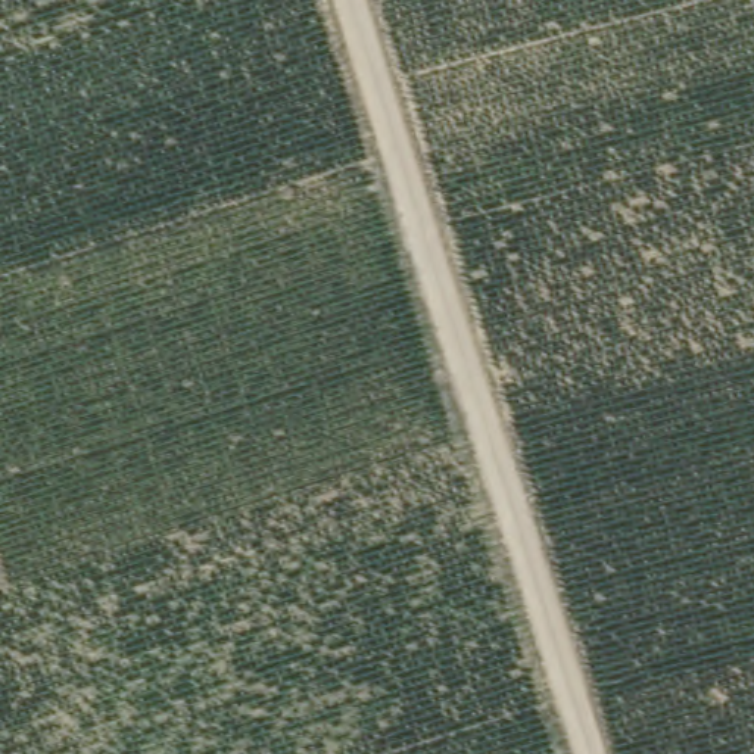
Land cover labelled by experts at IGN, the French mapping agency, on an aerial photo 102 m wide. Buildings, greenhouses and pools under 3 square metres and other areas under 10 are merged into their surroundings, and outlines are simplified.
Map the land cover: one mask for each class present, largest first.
<instances>
[{"label":"vineyard","instance_id":"1","mask_svg":"<svg viewBox=\"0 0 754 754\"><path fill-rule=\"evenodd\" d=\"M365 144L359 135L353 100L345 88L339 59L330 50L318 0H0V754H571L566 727L560 722L548 686L542 654L521 601L512 560L498 527L495 504L486 492L474 442L465 427V412L451 386V371L436 342L430 312L418 295L412 256L401 244L398 218L392 221L386 215L380 197L368 186L371 174L362 168ZM383 18L389 24V38L398 53V65L406 74V82L418 106L430 165L439 191L445 194L451 227L457 233L462 256L459 283L468 286V292L474 295L495 365L507 359V365L512 368V380L504 386V398L510 404L515 427L512 451L521 457L518 465L524 474L527 495L533 498V515L539 524L548 566L560 586L568 627L577 636V651L586 657L583 669L589 677L592 701L601 710V727L610 754H754V0H380Z\"/></svg>","mask_w":754,"mask_h":754},{"label":"pervious surface","instance_id":"2","mask_svg":"<svg viewBox=\"0 0 754 754\"><path fill-rule=\"evenodd\" d=\"M330 50L339 59L345 88L353 100L359 135L365 144L362 168L371 174L368 186L380 197L386 215L392 221L398 218L401 244L412 256L418 295L430 312L436 342L451 371V386L465 412V427L474 442L486 492L495 504L498 527L512 560L521 601L542 654L548 686L560 722L566 727L571 754H610L601 727V710L592 701L589 677L583 669L586 657L577 651V636L568 627L560 586L548 566L539 524L533 515V498L527 495L524 474L518 465L521 457L512 451L515 427L510 404L504 398V386L512 380V368L507 365V359L495 365L474 295L468 292V286L459 283L462 256L457 233L451 227L445 194L439 191L430 165L418 106L406 82V74L398 65V53L389 38V24L383 18L380 0H318Z\"/></svg>","mask_w":754,"mask_h":754}]
</instances>
